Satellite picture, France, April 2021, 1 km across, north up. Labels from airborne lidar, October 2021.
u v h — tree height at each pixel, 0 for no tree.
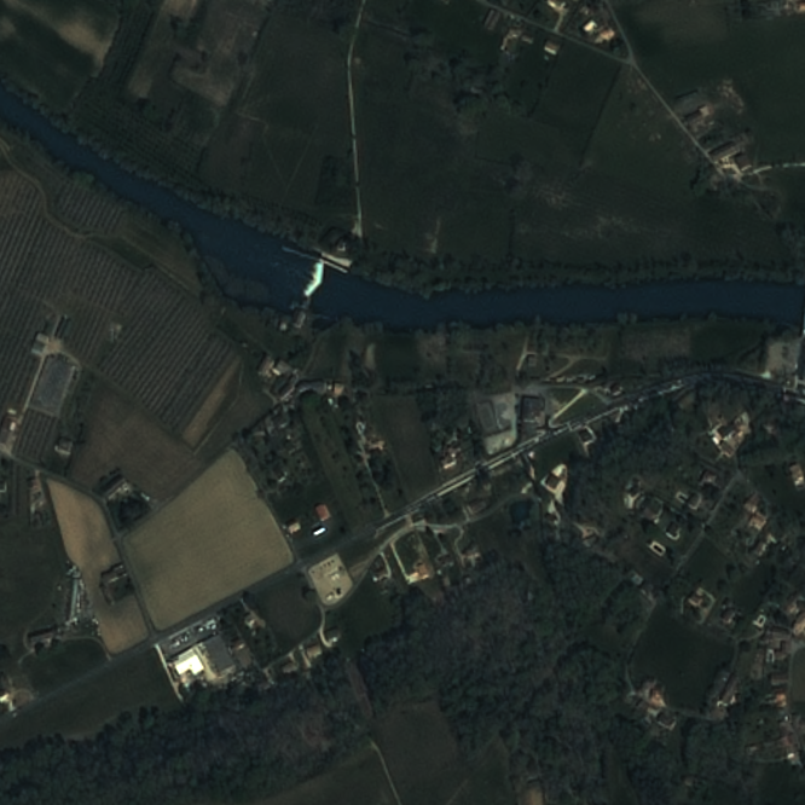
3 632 0
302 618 0
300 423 6
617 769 0
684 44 0
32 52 0
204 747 19
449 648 17
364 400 17
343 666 18
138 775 27
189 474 0
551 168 0
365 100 0
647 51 0
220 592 0
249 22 0
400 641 18
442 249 0
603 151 0
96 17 0
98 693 0
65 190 9
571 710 27
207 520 0
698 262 8
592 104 0
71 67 0
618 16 0
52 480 0
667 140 0
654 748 6
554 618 30
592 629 0
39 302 6
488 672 16
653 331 0
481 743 21
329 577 0
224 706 7
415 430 0
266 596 0
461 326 18
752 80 0
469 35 0
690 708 10
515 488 25
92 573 0
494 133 0
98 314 5
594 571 28
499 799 0
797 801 8
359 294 0
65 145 0
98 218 8
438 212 0
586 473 30
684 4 0
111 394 0
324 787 0
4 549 0
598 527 8
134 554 0
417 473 0
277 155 0
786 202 0
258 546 0
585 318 0
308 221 16
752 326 0
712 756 22
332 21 9
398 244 0
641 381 7
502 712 22
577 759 24
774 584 8
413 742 0
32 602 0
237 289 0
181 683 0
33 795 28
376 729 0
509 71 9
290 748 23
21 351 8
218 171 0
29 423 5
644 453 24
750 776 14
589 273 8
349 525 0
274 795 16
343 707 23
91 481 0
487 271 18
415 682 22
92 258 8
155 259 0
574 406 0
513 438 0
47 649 11
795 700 0
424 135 0
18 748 0
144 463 0
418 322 0
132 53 10
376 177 0
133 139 11
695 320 0
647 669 0
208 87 0
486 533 0
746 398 14
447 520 11
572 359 0
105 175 0
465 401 20
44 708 0
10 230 7
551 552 23
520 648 11
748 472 12
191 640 0
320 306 0
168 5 0
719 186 9
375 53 0
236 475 0
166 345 6
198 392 8
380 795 0
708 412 12
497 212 0
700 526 6
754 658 0
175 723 14
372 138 0
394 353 0
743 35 0
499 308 0
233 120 0
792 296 0
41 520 14
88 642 0
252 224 17
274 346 0
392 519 0
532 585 26
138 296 9
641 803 17
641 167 0
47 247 8
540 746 23
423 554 0
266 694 13
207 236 0
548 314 0
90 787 26
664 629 0
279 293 0
